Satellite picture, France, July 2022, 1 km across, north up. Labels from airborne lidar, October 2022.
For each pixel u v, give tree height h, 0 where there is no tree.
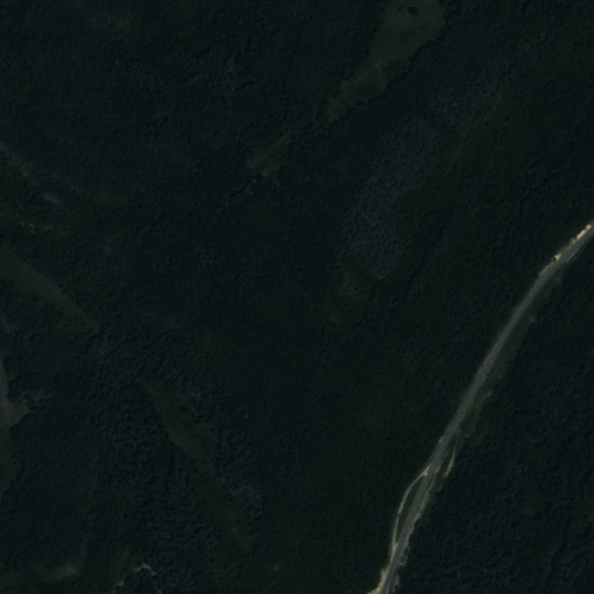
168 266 11
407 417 24
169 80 20
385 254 15
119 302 15
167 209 9
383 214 16
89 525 13
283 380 12
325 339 14
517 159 18
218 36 11
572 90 23
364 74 0
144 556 12
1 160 15
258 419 16
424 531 15
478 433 12
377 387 15
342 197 16
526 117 15
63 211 9
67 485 8
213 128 11
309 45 11
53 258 12
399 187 15
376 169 18
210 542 12
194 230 13
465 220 17
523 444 20
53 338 21
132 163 9
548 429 24
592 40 17
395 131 21
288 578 9
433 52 17
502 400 18
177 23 12
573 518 17
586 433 9
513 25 13
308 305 10
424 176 22
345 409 16
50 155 6
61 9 7
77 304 11
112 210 10
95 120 9
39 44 16
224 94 25
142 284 14
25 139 12
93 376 31
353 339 14
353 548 12
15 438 14
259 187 15
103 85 13
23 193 11
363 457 15
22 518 10
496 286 25
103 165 11
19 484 12
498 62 16
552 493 17
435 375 13
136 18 10
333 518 17
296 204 19
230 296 15
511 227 9
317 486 11
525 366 19
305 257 13
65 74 7
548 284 0
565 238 10
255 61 13
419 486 0
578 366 19
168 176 8
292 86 12
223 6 7
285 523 15
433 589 23
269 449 13
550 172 19
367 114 15
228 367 10
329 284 11
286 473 7
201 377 12
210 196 16
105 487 22
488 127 10
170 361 21
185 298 12
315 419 13
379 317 16
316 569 15
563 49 16
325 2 12
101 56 13
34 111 10
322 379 15
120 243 10
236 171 18
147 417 11
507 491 25
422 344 19
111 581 7
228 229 12
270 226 9
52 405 15
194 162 8
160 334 15
